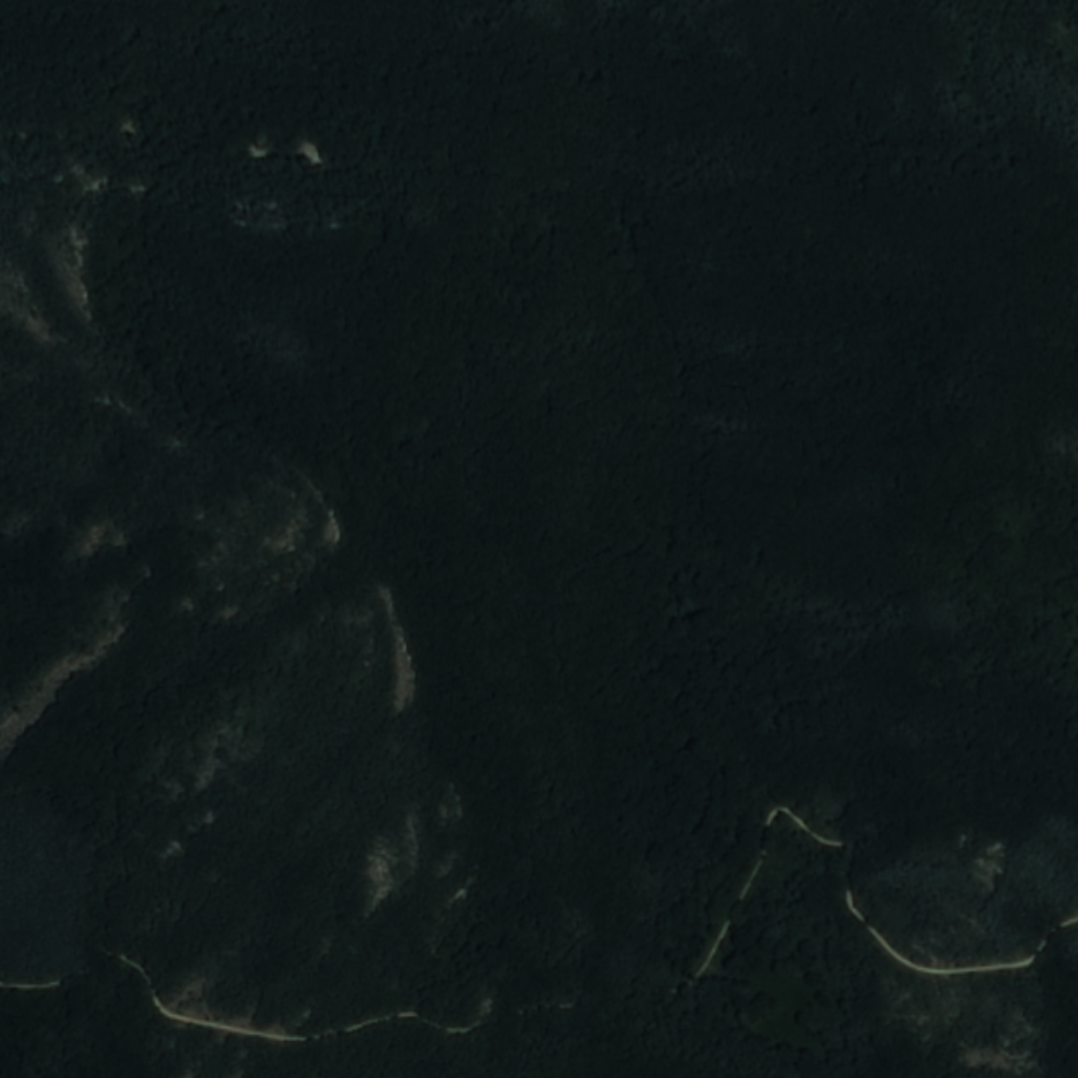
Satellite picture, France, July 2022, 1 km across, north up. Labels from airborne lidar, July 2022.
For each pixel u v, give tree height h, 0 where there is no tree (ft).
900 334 68
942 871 50
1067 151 66
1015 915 33
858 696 63
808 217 69
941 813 61
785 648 52
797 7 71
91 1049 56
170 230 58
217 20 68
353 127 62
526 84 72
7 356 26
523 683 32
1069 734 66
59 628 41
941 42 73
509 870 42
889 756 43
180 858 27
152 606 44
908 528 60
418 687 37
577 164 66
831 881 77
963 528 55
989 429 32
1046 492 47
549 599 69
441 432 65
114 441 23
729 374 68
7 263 18
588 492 50
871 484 45
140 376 58
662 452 80
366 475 54
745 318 46
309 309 40
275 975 32
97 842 53
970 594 30
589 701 65
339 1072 37
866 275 54
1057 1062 53
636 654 69
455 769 64
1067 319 74
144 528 25
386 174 44
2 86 58
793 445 38
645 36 60
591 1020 67
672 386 79
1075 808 39
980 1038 19
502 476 73
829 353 49
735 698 67
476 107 69
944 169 72
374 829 31
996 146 72
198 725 34
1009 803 38
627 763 82
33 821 43
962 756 68
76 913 40
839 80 65
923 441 66
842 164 74
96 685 57
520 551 58
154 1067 33
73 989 55
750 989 68
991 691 59
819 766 52
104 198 20
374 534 41
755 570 55
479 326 65
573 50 78
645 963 66
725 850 55
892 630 53
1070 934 43
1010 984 21
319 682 32
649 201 70
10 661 60
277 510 21
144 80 53
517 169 50
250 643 51
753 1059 72
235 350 39
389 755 31
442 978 25
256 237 26
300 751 21
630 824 34
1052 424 41
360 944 23
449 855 25
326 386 45
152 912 31
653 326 49
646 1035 55
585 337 42
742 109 83
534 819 61
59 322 30
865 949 21
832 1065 50
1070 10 36
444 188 56
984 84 59
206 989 19
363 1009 44
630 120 79
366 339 53
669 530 63
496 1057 61
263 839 38
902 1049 55
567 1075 38
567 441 68
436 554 82
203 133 40
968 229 64
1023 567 22
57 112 54
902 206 72
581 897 43
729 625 50
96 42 73
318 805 35
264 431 52
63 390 30
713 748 73
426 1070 58
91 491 42
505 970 28
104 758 59
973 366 45
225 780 30
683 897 48
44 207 27
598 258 49
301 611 57
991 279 72
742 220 64
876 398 65
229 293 27
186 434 45
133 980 57
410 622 48
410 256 49
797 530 48
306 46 58
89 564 33
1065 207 55
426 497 74
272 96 65
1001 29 49
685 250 57
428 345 83
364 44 62
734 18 64
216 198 53
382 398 73
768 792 34
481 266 74
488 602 77
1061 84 59
